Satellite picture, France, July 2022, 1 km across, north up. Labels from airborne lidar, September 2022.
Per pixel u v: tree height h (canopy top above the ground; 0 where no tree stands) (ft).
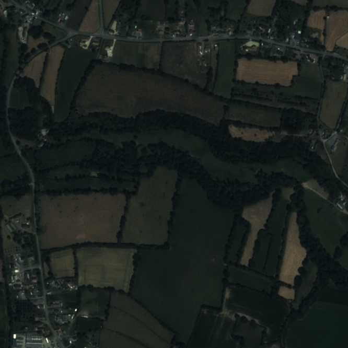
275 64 0
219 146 33
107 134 42
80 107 0
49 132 32
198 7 24
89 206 0
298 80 0
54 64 0
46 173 27
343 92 0
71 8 59
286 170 0
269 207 0
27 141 0
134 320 0
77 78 0
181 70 0
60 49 0
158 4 0
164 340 0
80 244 20
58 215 0
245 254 0
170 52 0
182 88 0
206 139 59
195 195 0
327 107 0
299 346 0
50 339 0
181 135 0
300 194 68
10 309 51
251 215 0
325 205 0
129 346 0
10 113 64
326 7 24
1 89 62
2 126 69
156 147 58
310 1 41
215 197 79
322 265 93
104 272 0
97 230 0
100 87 0
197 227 0
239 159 38
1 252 46
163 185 0
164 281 0
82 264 0
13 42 0
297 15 0
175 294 0
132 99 0
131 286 36
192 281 0
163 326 37
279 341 22
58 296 0
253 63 0
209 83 37
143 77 0
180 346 59
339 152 0
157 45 0
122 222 53
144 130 33
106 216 0
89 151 0
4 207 0
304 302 47
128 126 52
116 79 0
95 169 63
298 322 0
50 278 59
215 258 0
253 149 22
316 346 0
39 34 39
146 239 0
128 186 0
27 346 0
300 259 0
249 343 0
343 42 0
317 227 0
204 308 36
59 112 0
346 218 0
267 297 48
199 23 0
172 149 52
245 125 24
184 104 0
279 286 23
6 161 0
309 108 0
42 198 0
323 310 0
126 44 0
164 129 52
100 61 50
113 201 0
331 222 0
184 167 54
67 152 0
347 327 0
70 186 0
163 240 0
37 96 31
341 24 0
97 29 0
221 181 115
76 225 0
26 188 58
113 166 105
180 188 44
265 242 0
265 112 0
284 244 25
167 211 0
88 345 0
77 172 0
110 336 0
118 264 0
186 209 0
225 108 39
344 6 0
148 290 0
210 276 0
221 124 33
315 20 0
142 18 19
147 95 0
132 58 0
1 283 38
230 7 0
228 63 0
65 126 63
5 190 62
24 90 0
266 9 0
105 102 0
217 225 0
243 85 52
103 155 92
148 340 0
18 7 0
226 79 0
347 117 0
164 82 0
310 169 52
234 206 61
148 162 32
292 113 62
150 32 0
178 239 0
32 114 46
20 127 55
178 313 0
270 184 82
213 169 0
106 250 0
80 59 0
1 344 0
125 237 0
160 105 0
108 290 37
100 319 21
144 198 0
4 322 0
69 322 22
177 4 40
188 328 0
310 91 0
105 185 0
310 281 0
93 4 0
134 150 123
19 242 41
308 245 69
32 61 0
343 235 0
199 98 0
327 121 0
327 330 0
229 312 0
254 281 0
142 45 0
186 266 0
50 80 0
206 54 0
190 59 0
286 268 0
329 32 0
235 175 0
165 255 0
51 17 0
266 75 0
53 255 0
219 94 0
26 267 0
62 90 0
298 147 35
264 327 18
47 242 0
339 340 0
